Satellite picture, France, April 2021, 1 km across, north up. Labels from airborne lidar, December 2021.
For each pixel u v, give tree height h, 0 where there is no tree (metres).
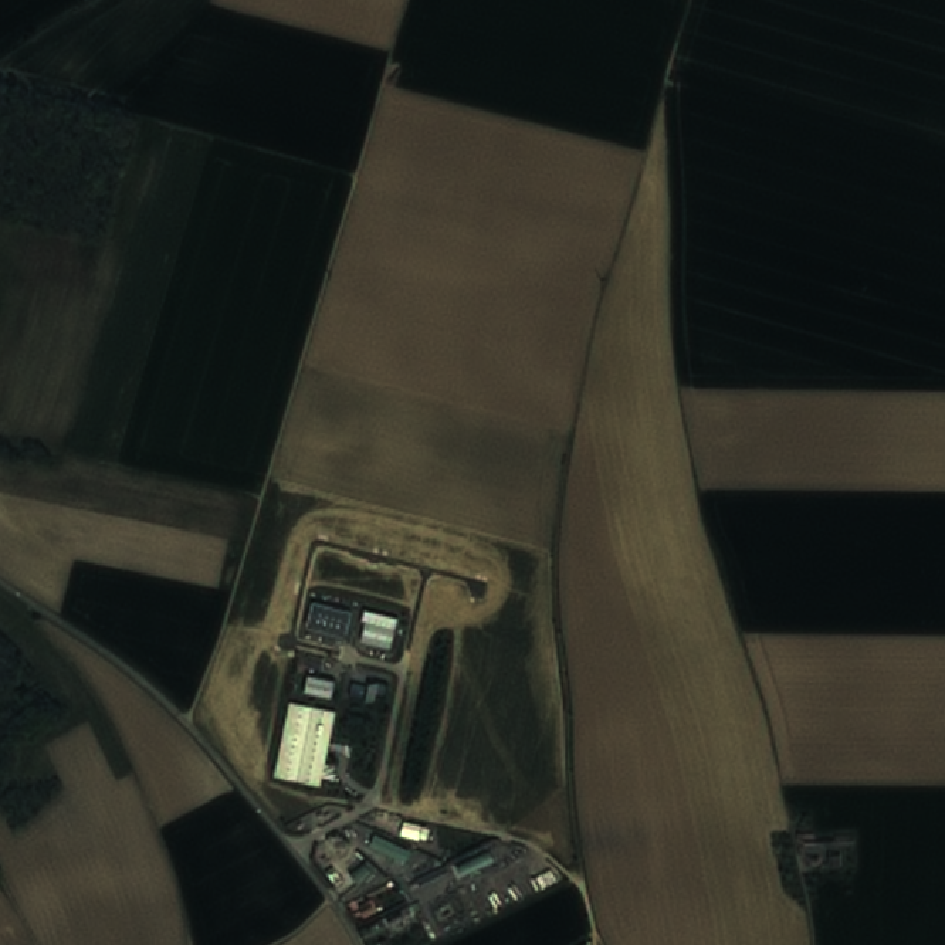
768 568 0
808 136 0
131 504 0
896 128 0
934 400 0
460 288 0
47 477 0
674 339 0
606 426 0
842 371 0
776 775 0
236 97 0
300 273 0
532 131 0
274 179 0
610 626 0
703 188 0
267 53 0
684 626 0
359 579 0
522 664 0
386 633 0
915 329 0
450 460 0
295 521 0
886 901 0
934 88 0
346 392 0
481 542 0
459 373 0
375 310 0
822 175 0
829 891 0
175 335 0
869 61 0
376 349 0
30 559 0
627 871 0
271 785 0
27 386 0
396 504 0
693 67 0
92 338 0
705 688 0
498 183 0
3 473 0
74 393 0
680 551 0
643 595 0
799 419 0
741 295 0
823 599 0
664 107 0
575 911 0
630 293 0
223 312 0
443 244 0
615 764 0
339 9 0
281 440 0
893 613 0
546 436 0
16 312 0
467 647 0
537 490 0
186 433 0
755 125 0
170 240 0
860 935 0
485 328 0
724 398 0
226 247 0
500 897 0
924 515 0
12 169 23
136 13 0
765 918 0
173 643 0
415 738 0
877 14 0
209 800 0
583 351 0
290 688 7
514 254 0
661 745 0
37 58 0
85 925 0
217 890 0
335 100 0
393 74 0
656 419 0
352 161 0
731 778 0
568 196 0
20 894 0
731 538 0
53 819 0
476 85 0
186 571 0
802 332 0
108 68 0
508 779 0
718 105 0
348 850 0
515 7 0
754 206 0
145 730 0
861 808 0
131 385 0
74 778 0
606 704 0
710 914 0
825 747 0
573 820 0
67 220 19
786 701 0
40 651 0
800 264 0
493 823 0
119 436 0
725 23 0
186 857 0
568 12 0
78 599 0
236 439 0
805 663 0
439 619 0
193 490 0
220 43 0
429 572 0
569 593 0
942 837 0
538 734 0
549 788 0
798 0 0
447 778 0
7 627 0
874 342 0
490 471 0
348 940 0
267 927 0
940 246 0
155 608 0
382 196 0
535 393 0
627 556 0
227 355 0
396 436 0
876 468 0
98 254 0
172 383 0
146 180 0
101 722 0
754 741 0
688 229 0
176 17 0
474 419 0
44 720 17
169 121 0
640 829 0
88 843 0
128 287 0
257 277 0
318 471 0
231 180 0
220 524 0
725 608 0
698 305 0
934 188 0
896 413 0
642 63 0
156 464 0
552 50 0
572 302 0
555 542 0
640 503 0
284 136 0
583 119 0
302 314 0
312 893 0
